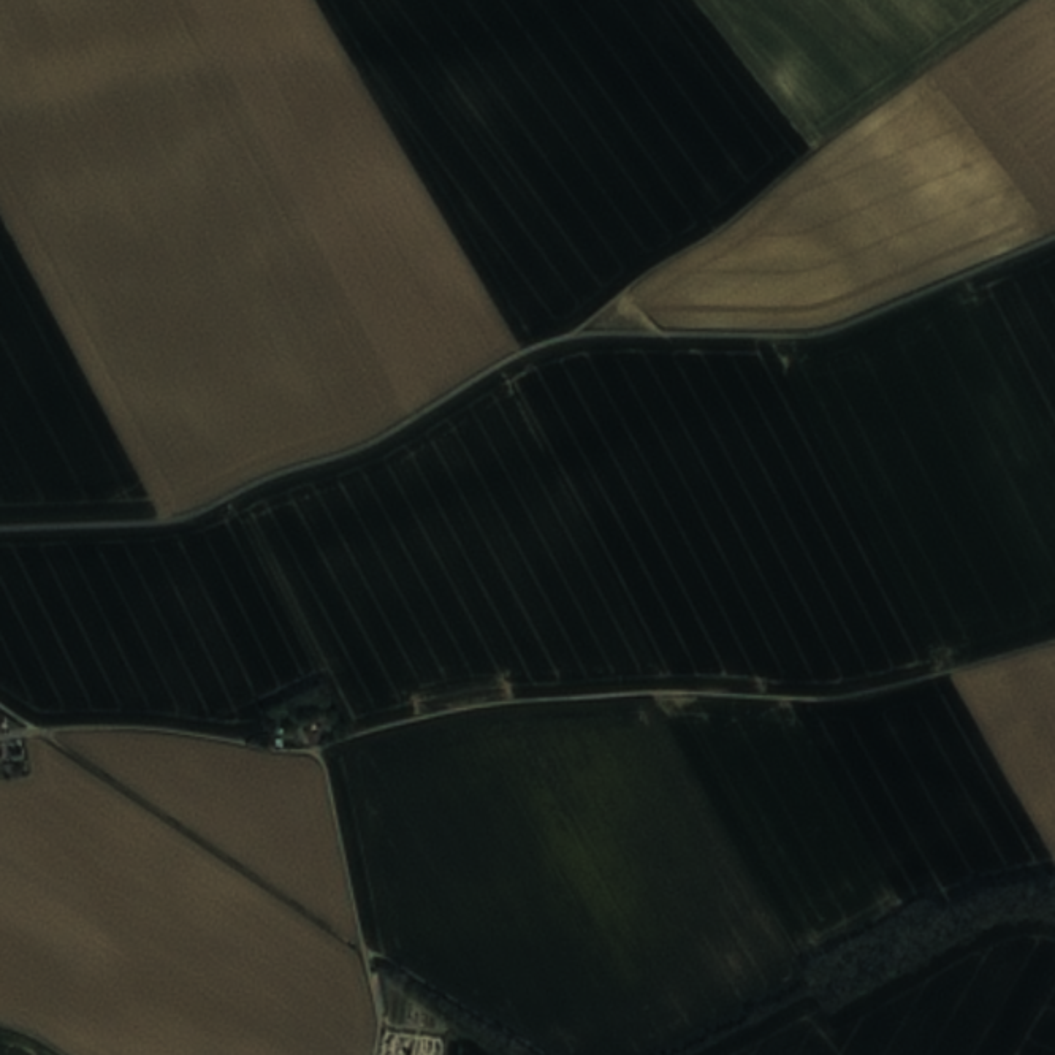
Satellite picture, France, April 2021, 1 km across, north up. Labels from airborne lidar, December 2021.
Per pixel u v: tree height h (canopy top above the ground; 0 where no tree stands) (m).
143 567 0
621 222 0
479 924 0
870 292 0
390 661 0
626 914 0
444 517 0
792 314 0
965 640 0
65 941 0
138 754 0
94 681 0
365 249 0
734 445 0
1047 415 0
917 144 0
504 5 0
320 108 0
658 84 0
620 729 0
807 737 0
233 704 0
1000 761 0
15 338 0
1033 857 0
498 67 0
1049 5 0
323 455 0
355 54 0
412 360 0
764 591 0
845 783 0
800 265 0
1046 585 0
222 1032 0
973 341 0
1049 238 0
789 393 0
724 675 0
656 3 0
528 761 0
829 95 0
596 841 0
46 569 0
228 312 0
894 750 0
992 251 0
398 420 0
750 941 0
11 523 0
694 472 0
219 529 0
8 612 0
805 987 11
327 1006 0
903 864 0
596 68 0
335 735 8
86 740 0
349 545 0
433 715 0
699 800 0
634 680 0
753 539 0
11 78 0
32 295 0
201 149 0
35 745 0
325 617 0
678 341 0
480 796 0
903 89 0
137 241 0
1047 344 0
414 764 0
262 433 0
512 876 0
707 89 0
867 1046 0
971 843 0
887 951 19
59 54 0
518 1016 0
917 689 0
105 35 0
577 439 0
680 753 0
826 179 0
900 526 0
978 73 0
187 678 0
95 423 0
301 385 0
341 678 0
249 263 0
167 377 0
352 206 0
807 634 0
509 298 0
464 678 0
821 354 0
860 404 0
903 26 0
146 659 0
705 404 0
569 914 0
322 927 0
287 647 0
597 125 0
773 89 0
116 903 0
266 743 12
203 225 0
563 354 0
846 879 0
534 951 0
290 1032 0
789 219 0
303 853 0
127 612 0
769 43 0
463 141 0
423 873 0
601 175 0
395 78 0
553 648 0
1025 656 0
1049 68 0
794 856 0
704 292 0
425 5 0
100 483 0
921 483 0
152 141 0
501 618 0
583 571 0
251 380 0
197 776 0
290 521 0
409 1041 0
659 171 0
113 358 0
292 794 0
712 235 0
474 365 0
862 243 0
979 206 0
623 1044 0
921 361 0
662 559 0
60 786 0
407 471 0
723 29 0
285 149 0
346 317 0
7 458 0
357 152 0
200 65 0
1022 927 0
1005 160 0
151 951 0
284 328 0
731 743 0
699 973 0
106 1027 0
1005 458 0
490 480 0
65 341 0
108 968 0
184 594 0
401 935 0
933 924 26
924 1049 0
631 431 0
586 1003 0
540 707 0
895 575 0
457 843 0
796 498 0
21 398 0
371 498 0
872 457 0
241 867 0
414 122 0
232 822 0
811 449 0
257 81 0
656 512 0
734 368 0
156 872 0
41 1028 0
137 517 0
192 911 0
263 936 0
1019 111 0
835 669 0
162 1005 0
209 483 0
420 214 0
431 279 0
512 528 0
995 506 0
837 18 0
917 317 0
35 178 0
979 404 0
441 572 0
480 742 0
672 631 0
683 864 0
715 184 0
